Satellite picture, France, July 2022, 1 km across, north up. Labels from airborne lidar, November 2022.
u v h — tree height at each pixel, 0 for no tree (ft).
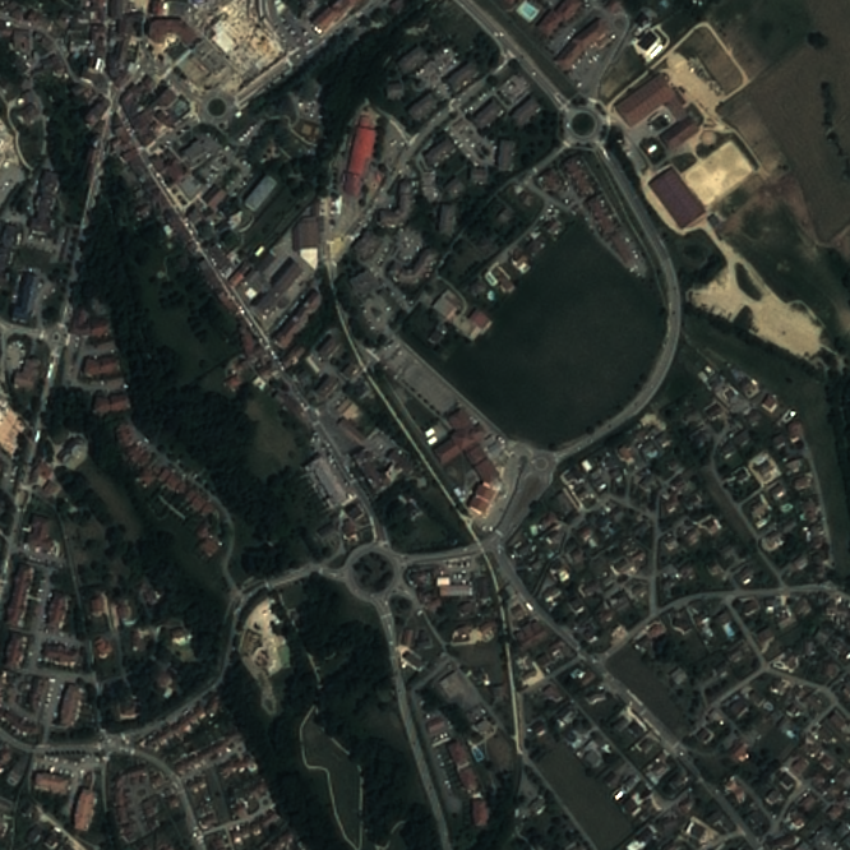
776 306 0
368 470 0
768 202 0
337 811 0
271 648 0
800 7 0
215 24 0
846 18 0
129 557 49
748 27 0
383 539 0
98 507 79
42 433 28
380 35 47
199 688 76
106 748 0
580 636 32
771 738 0
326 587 52
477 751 0
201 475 0
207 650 63
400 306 0
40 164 27
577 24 0
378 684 43
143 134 0
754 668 29
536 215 0
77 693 0
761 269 0
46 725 0
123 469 100
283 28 0
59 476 27
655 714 0
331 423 0
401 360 0
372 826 74
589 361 0
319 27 0
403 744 0
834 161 0
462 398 0
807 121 0
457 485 0
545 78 0
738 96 0
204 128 22
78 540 26
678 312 0
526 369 0
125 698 88
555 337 0
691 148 0
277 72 0
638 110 0
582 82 0
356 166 0
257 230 0
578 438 0
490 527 0
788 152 0
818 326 0
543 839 34
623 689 0
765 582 24
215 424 48
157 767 0
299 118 0
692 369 0
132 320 35
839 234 0
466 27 0
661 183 0
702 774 23
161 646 32
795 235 0
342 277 31
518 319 0
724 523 24
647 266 0
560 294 0
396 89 0
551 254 0
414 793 0
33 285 0
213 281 0
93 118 0
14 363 0
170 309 31
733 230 0
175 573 90
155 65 0
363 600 0
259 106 48
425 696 47
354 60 69
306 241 0
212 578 0
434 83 0
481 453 0
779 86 0
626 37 0
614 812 0
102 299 38
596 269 0
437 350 47
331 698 78
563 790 0
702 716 0
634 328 0
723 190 0
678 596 21
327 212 0
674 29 0
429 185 0
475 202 25
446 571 0
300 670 54
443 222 0
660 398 0
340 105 83
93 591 24
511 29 0
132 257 50
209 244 28
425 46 36
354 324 39
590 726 31
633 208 0
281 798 57
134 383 55
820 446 0
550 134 21
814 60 0
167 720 0
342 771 0
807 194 0
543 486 0
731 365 0
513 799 25
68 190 62
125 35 0
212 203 0
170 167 0
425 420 0
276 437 0
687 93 0
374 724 0
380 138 26
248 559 48
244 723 61
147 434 73
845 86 0
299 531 20
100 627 0
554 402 0
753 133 0
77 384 0
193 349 0
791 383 31
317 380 22
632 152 0
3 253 0
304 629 51
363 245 0
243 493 98
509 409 0
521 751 0
